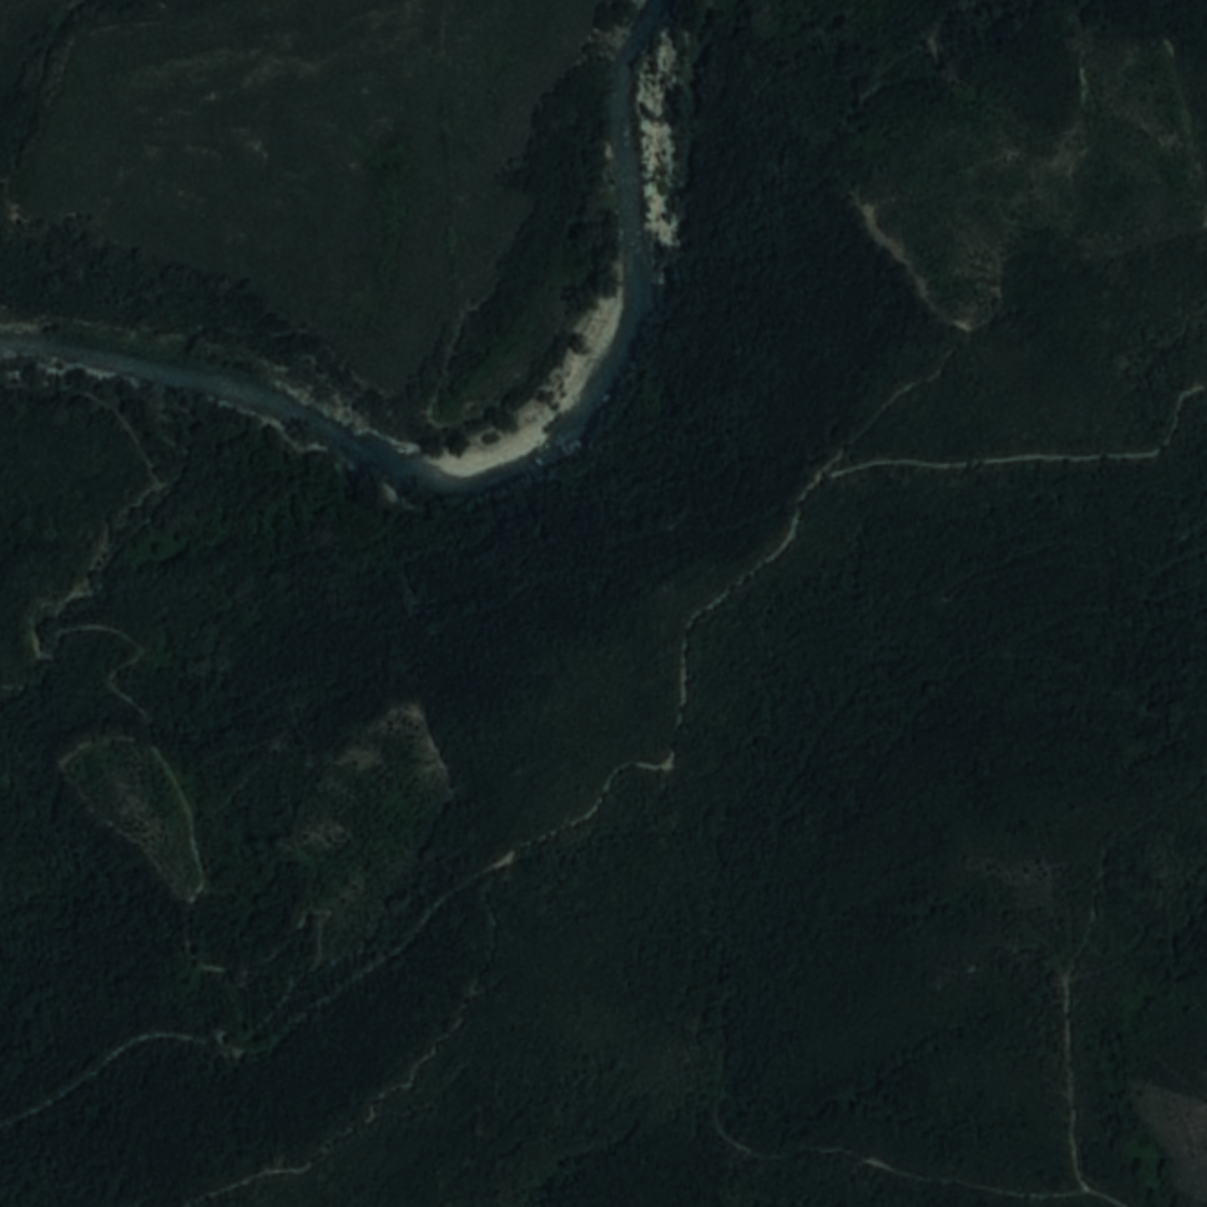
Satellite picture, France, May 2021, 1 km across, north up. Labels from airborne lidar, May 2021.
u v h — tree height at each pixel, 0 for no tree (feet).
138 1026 33
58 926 39
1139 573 26
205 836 20
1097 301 27
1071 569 24
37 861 47
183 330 19
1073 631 20
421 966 31
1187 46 31
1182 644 28
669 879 28
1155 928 44
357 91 0
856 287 49
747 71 30
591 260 33
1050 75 18
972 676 21
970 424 28
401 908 43
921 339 25
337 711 49
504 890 30
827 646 22
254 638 31
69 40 26
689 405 46
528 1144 23
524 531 59
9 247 26
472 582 38
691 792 37
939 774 28
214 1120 48
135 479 30
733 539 32
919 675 27
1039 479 42
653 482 29
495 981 27
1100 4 32
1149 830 26
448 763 22
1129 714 23
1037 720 30
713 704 29
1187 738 29
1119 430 24
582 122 29
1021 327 30
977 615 24
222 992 27
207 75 0
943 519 68
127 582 28
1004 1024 29
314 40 0
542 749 26
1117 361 36
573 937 28
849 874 21
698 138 70
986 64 21
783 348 38
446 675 26
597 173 27
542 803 20
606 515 45
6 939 33
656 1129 59
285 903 44
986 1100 23
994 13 46
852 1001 22
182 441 31
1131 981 18
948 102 25
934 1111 22
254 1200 32
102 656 24
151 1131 45
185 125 0
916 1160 17
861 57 27
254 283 32
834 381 39
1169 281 22
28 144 33
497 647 29
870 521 60
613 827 34
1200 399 31
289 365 26
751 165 50
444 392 26
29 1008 46
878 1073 28
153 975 35
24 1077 37
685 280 39
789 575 25
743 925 40
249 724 30
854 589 21
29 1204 40
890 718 29
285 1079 32
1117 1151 35
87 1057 30
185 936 37
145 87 0
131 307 20
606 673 26
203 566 31
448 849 28
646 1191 43
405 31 0
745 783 58
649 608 23
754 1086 41
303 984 30
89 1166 40
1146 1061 19
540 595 34
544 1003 26
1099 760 23
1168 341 39
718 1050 44
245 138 0
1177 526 34
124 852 32
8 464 30
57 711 23
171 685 33
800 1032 33
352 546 42
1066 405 20
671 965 37
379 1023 29
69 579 17
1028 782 21
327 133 0
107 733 41
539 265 45
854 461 30
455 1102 38
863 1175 23
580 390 0
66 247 33
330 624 28
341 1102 28
